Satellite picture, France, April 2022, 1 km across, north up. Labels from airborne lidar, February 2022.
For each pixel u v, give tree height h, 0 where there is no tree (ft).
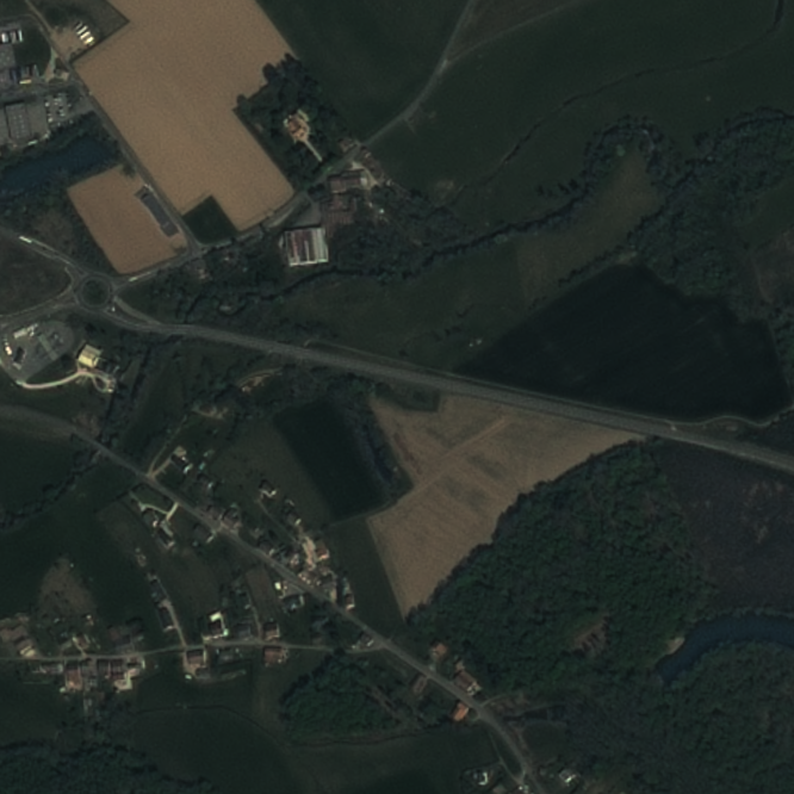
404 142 0
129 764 60
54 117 0
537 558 91
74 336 0
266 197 0
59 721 0
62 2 0
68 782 77
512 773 0
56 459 0
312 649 0
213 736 0
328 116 89
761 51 0
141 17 0
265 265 0
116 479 0
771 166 73
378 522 0
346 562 0
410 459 0
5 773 58
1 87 0
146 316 0
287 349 0
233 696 0
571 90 0
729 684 81
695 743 97
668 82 0
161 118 0
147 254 0
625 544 73
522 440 0
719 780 83
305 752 0
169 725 0
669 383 0
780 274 0
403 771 0
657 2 0
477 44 0
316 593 0
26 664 0
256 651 0
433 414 0
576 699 81
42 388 0
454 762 0
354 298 0
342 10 0
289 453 0
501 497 0
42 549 0
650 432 0
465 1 0
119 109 0
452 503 0
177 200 0
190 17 0
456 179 0
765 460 0
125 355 40
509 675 63
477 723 0
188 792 66
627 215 0
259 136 22
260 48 0
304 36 0
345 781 0
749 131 43
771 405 0
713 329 0
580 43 0
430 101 0
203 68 0
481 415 0
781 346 35
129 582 0
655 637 78
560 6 0
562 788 0
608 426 0
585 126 0
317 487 0
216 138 0
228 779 0
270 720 0
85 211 0
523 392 0
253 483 0
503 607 83
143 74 0
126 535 0
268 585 0
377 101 0
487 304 0
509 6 0
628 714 97
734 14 0
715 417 0
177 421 50
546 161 0
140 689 0
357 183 0
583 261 0
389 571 0
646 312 0
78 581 0
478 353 0
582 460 0
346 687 80
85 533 0
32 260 0
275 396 0
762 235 0
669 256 63
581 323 0
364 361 0
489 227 0
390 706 25
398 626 0
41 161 0
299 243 0
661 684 75
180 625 0
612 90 0
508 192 0
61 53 0
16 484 0
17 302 0
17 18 0
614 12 0
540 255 0
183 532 0
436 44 0
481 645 75
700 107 0
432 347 0
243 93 0
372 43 0
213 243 0
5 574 0
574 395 0
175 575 0
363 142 0
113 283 0
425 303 0
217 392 20
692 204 80
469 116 0
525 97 0
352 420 64
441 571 0
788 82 0
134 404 50
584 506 82
